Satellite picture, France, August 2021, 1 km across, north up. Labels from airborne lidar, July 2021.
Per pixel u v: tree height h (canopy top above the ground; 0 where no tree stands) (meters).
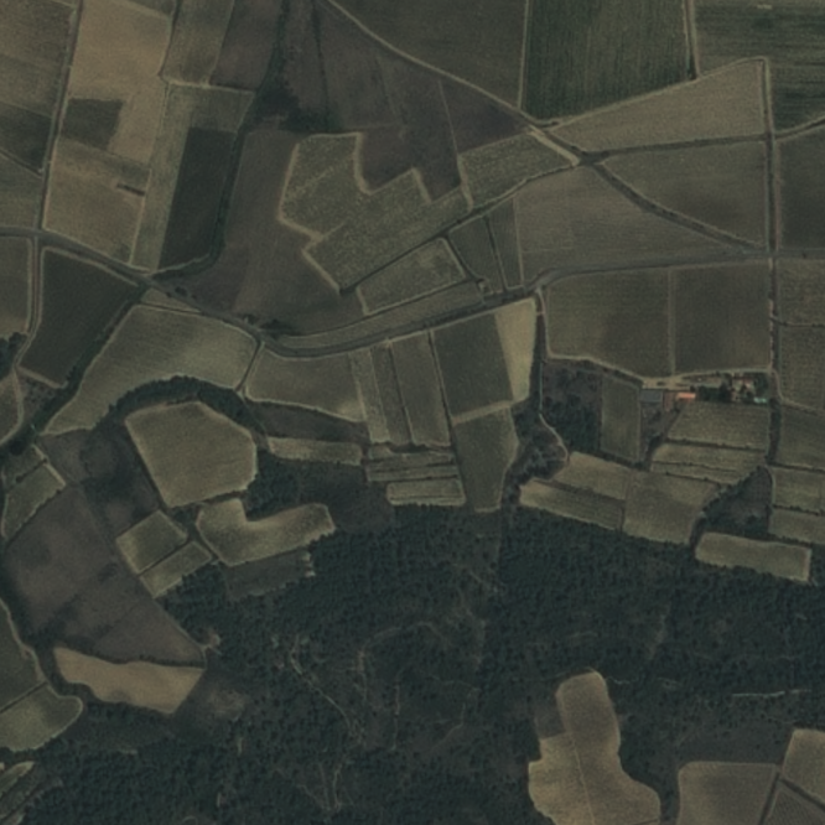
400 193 0
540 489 0
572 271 0
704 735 0
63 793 13
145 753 13
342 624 7
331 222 0
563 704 0
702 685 7
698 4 0
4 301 0
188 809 7
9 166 0
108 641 0
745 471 0
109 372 0
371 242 0
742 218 0
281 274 0
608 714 0
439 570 13
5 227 0
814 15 0
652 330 0
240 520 0
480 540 11
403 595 9
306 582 9
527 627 11
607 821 0
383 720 0
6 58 0
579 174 0
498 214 0
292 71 0
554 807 0
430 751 0
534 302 0
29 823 13
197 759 17
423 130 0
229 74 0
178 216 0
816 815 0
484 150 0
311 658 9
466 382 0
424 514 8
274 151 0
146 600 0
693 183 0
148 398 15
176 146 0
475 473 0
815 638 7
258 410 0
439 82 0
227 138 0
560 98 0
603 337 0
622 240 0
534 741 10
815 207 0
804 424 0
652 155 0
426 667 9
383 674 0
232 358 0
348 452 0
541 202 0
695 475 0
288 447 0
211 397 16
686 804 0
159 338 0
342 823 12
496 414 0
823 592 13
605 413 0
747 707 9
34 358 0
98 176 0
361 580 10
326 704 7
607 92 0
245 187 0
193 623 13
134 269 0
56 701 0
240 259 0
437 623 7
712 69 0
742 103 0
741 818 0
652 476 0
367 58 0
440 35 0
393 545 10
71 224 0
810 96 0
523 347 0
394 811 8
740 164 0
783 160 0
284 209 0
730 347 0
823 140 0
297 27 0
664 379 0
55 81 0
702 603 10
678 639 10
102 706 10
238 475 0
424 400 0
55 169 0
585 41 0
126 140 0
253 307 0
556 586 12
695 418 0
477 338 0
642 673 6
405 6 0
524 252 0
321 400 0
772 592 12
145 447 0
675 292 0
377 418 0
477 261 0
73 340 0
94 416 0
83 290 0
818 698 7
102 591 0
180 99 0
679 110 0
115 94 0
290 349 0
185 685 0
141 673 0
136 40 0
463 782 8
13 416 0
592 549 8
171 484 0
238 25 0
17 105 0
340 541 9
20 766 0
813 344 0
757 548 0
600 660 8
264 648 7
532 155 0
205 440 0
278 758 11
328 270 0
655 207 6
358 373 0
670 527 0
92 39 0
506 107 0
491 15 0
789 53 0
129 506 0
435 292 0
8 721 0
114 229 0
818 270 0
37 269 0
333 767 6
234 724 7
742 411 0
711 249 0
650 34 0
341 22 0
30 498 0
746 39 0
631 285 0
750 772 0
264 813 11
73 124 0
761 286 0
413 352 0
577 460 0
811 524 0
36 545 0
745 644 8
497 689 8
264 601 12
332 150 0
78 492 0
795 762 0
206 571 10
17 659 0
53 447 0
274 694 7
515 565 10
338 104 0
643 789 0
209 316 0
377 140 0
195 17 0
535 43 0
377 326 0
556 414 9
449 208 0
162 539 0
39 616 0
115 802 10
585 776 0
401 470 0
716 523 12
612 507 0
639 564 6
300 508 0
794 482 0
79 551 0
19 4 0
